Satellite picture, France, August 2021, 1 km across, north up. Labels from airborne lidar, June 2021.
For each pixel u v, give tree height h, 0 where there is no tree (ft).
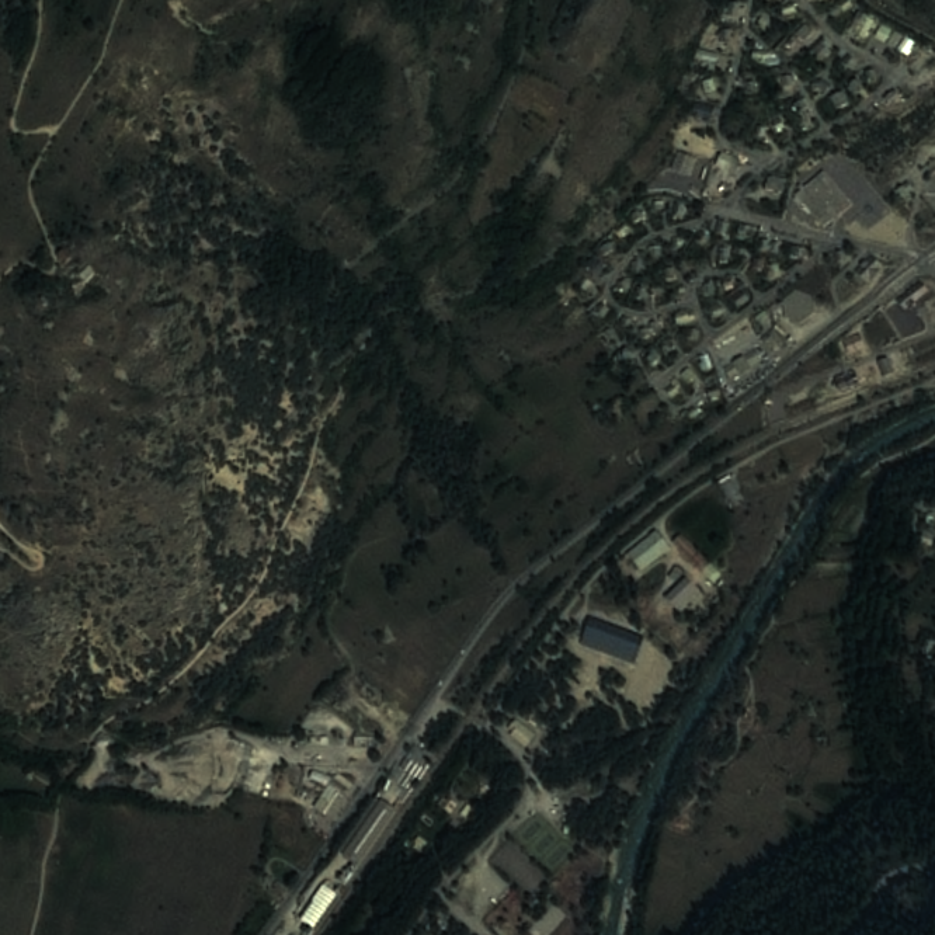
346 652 0
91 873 0
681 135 0
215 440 20
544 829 0
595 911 46
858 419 0
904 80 0
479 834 46
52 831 0
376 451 0
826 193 0
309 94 54
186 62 0
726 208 0
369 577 0
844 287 0
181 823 0
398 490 39
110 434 0
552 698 24
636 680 0
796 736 0
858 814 82
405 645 0
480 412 0
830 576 0
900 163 0
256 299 40
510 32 30
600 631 0
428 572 0
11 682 0
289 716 0
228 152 35
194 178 35
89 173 0
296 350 21
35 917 0
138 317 0
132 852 0
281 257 59
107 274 0
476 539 21
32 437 0
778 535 0
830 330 0
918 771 27
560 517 0
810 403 0
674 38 0
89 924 0
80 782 0
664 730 43
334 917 28
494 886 0
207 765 0
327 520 21
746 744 29
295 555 32
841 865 79
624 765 38
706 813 21
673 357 28
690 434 24
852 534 0
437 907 34
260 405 27
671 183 0
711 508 0
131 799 50
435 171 23
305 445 30
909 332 0
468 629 0
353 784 0
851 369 0
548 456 0
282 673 0
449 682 0
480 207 0
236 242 46
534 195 23
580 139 0
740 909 83
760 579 36
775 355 0
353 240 0
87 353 0
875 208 0
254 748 0
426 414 45
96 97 24
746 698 0
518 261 45
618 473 0
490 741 50
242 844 0
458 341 39
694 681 43
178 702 0
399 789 0
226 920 0
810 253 20
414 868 48
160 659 24
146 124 37
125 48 0
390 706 0
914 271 0
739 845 0
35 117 0
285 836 0
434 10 32
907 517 30
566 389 0
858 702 39
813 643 0
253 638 24
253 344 38
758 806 0
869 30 0
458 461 51
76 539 0
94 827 0
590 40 0
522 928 24
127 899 0
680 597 0
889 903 30
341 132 22
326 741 0
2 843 0
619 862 0
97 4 0
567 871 0
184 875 0
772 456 0
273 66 0
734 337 0
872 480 0
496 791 36
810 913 80
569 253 22
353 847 0
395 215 35
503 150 0
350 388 21
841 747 0
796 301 0
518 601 0
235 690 47
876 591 41
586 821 33
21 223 0
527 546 0
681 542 0
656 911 0
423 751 0
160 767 0
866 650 44
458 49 19
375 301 38
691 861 0
